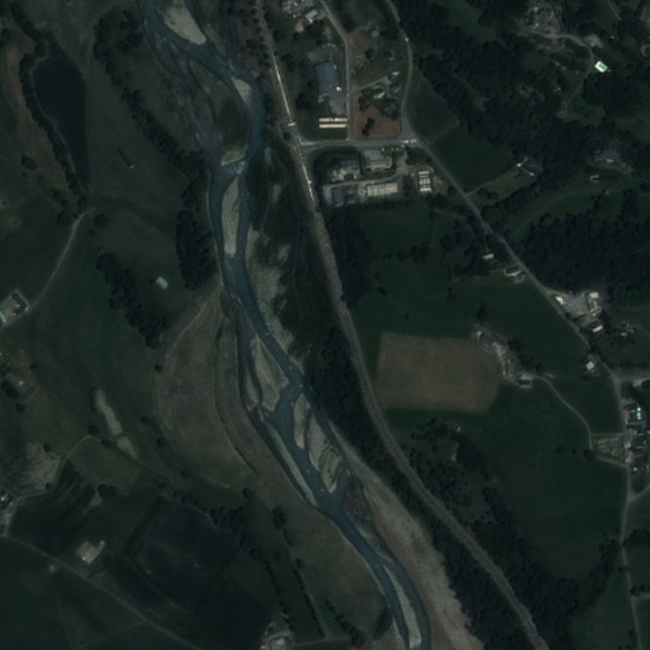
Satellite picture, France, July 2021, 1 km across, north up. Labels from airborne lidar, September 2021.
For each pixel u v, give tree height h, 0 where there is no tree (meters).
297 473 0
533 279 0
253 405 0
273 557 0
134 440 0
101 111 0
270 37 0
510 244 19
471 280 0
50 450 10
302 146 0
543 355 0
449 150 0
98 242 0
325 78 0
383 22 7
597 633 0
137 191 0
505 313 0
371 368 0
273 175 6
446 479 14
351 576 0
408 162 10
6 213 0
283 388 0
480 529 30
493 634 12
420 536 0
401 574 0
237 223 0
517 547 19
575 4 15
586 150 22
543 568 20
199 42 0
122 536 0
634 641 11
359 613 0
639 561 0
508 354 0
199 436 0
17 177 0
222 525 24
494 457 0
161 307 0
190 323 0
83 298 0
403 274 0
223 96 0
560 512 0
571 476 0
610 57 13
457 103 8
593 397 0
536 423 0
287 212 6
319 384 21
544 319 0
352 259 15
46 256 0
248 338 0
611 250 23
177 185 0
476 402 0
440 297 0
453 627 0
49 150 0
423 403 0
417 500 19
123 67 0
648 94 0
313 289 7
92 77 0
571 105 0
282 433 0
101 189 0
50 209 0
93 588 0
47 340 0
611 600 0
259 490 0
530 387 0
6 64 0
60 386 0
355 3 0
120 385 0
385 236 0
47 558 0
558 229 22
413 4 13
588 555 0
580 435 0
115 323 0
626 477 0
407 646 0
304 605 0
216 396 0
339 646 0
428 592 0
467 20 0
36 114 13
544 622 24
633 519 0
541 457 0
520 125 15
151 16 0
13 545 0
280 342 0
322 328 7
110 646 0
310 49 0
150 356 0
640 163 19
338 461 0
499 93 9
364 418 15
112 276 23
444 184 0
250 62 0
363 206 10
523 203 11
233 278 0
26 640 0
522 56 18
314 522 0
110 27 10
